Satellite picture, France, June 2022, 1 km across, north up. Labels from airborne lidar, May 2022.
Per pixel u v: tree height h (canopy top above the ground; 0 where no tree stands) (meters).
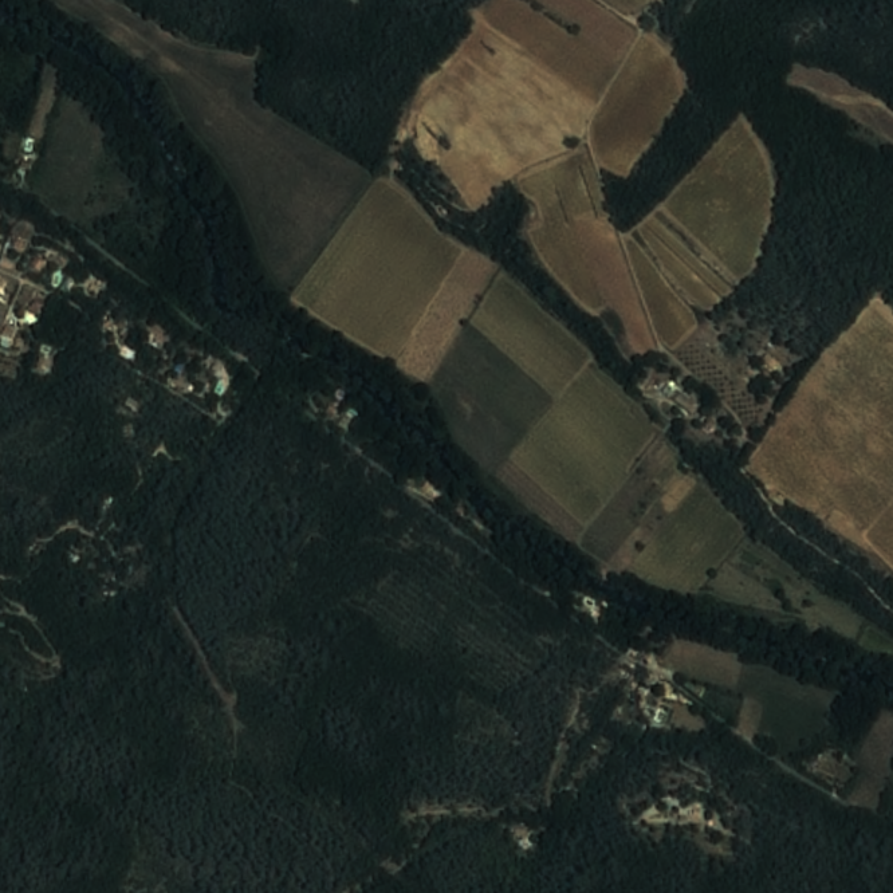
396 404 24
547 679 16
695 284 0
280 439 15
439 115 0
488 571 6
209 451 6
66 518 7
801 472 0
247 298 24
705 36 11
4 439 17
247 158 0
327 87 11
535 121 0
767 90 17
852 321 11
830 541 17
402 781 10
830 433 0
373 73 13
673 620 23
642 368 11
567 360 0
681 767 10
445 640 7
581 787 12
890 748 0
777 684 0
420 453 17
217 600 15
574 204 0
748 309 14
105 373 17
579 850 7
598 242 0
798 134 14
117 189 0
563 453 0
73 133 0
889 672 24
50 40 13
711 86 9
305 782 12
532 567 15
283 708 6
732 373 0
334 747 19
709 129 7
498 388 0
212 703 6
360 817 13
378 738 14
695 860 19
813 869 19
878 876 18
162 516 17
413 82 10
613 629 13
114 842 12
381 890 16
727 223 0
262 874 21
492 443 0
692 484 0
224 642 19
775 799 9
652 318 0
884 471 0
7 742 17
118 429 7
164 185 6
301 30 11
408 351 0
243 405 7
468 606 6
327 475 6
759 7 13
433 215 11
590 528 0
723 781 14
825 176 12
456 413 0
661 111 0
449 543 6
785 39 7
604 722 10
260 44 15
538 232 0
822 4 11
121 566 9
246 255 21
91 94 27
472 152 0
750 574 0
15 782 10
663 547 0
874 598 6
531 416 0
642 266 0
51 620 8
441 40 10
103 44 16
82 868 21
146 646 19
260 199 0
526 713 18
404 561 6
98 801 15
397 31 13
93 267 9
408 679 6
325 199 0
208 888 18
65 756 23
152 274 6
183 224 17
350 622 6
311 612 7
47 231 10
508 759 9
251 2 16
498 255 12
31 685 7
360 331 0
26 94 6
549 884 15
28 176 6
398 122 9
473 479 14
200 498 10
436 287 0
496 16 0
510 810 13
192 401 7
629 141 0
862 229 16
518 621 6
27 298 0
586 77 0
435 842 8
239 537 18
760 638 16
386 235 0
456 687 6
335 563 6
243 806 9
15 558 7
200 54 0
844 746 7
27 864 19
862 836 23
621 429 0
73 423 6
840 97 0
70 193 0
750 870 17
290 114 9
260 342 28
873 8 7
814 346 16
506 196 17
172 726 9
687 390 10
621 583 16
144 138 16
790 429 0
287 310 15
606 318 0
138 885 7
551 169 0
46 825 13
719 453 8
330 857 18
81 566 13
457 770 18
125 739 9
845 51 10
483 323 0
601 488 0
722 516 0
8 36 13
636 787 12
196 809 16
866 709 23
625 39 0
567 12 0
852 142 13
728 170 0
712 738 10
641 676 17
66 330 13
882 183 10
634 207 11
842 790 7
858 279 12
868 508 0
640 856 16
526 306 0
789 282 15
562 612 12
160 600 7
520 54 0
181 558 10
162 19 10
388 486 6
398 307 0
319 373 18
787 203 17
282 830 21
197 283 15
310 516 16
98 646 9
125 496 7
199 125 0
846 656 8
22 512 18
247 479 18
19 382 9
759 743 14
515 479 0
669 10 11
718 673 0
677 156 10
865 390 0
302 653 20
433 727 6
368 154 11
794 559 10
